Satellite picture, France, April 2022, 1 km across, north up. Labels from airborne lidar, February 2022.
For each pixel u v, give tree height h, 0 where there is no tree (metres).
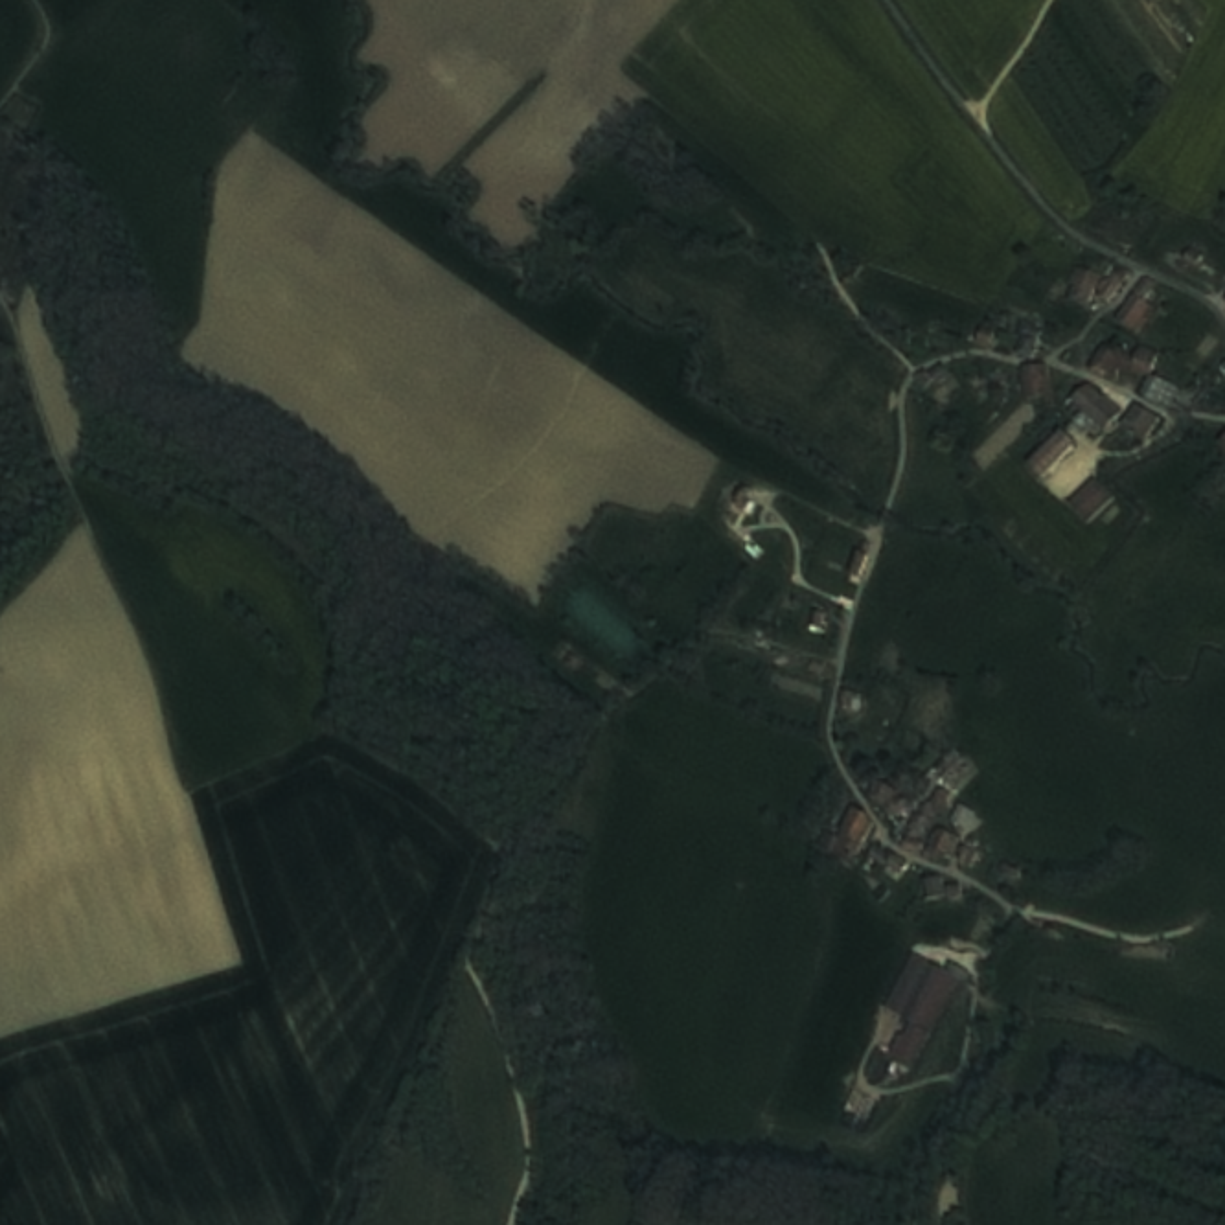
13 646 0
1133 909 0
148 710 0
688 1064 0
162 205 0
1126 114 0
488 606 33
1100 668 0
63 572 0
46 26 0
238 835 0
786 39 0
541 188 0
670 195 24
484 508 0
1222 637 0
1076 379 0
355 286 0
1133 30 0
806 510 0
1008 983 0
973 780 0
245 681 0
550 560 0
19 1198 0
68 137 0
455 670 30
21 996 0
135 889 0
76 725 0
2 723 0
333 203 0
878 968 0
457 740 26
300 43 0
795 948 0
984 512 0
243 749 0
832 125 0
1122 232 0
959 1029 0
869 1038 0
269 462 36
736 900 0
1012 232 0
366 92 0
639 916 0
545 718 15
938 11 0
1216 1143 12
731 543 0
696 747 0
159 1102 0
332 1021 0
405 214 0
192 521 0
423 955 0
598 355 0
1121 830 0
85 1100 0
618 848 0
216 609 0
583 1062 20
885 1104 0
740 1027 0
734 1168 30
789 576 0
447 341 0
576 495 0
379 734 24
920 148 0
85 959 0
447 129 0
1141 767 0
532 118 0
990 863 0
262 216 0
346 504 35
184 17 0
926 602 0
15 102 0
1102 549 0
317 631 0
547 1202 11
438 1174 15
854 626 0
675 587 0
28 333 0
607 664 0
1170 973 0
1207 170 0
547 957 19
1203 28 0
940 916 0
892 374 0
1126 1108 25
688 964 0
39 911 0
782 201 0
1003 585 0
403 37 0
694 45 0
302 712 0
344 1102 0
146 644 0
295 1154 0
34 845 0
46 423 0
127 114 0
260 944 0
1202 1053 0
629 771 0
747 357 0
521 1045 20
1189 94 0
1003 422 0
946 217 0
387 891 0
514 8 0
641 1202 25
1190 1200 6
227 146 0
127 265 24
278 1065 0
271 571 0
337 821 0
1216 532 0
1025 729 0
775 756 0
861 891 0
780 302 0
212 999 0
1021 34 0
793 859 0
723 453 0
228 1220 0
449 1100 17
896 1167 0
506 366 0
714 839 0
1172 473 0
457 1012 12
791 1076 0
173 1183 0
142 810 0
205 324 0
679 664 13
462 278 0
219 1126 0
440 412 0
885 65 0
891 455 0
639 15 0
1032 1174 0
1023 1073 0
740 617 0
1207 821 0
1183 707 0
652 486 0
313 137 0
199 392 28
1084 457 0
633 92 0
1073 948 0
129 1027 0
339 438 0
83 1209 0
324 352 0
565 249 0
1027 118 0
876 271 0
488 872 0
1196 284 0
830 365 0
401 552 35
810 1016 0
